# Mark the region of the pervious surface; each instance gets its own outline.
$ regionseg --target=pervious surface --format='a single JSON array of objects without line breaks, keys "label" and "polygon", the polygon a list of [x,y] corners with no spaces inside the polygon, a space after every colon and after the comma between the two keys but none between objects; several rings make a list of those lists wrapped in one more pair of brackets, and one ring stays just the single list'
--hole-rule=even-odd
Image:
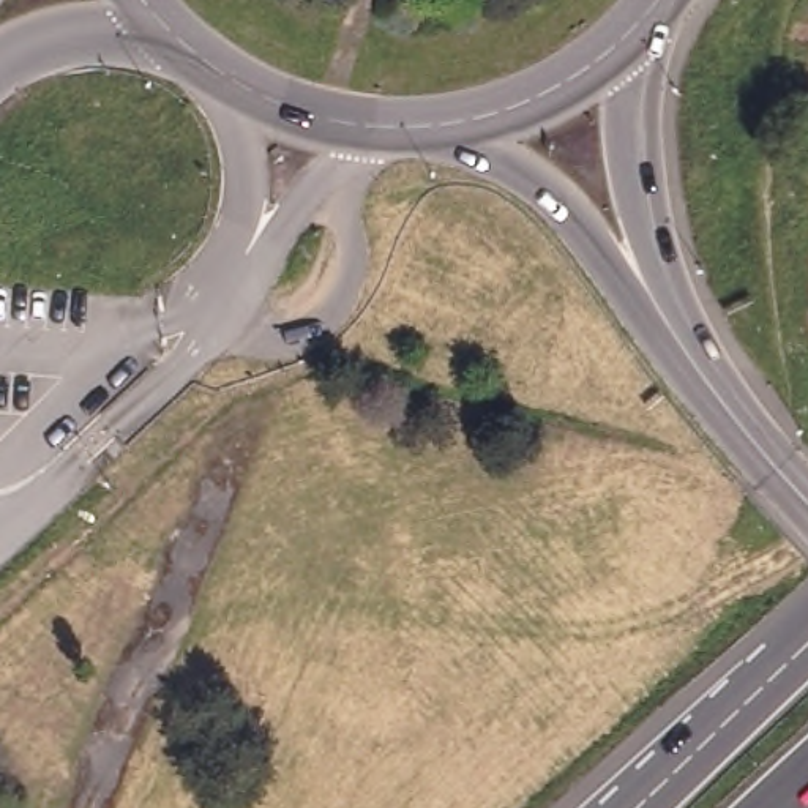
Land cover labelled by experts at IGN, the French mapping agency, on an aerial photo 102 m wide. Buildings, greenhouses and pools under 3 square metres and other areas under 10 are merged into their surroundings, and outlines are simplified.
[{"label": "pervious surface", "polygon": [[271,205],[294,189],[300,170],[309,164],[309,152],[284,142],[268,142],[265,167]]},{"label": "pervious surface", "polygon": [[104,682],[104,698],[95,710],[88,735],[79,732],[66,748],[69,780],[38,776],[25,783],[28,808],[117,808],[129,776],[133,754],[142,748],[148,732],[161,732],[161,723],[155,716],[155,710],[161,707],[158,682],[164,672],[186,660],[180,644],[189,631],[193,606],[205,587],[208,568],[227,533],[243,486],[249,483],[253,464],[259,461],[259,445],[275,413],[275,401],[265,388],[234,395],[224,407],[215,410],[218,420],[211,423],[211,445],[205,448],[205,464],[199,470],[196,486],[189,489],[189,505],[177,518],[174,533],[167,537],[158,556],[152,600],[139,609],[129,641],[117,653],[117,666]]},{"label": "pervious surface", "polygon": [[322,82],[350,88],[360,38],[366,35],[366,22],[372,16],[372,0],[350,0]]},{"label": "pervious surface", "polygon": [[316,259],[297,284],[294,294],[278,300],[278,309],[287,319],[306,319],[331,297],[344,271],[344,262],[338,262],[335,256],[331,237],[322,230]]}]

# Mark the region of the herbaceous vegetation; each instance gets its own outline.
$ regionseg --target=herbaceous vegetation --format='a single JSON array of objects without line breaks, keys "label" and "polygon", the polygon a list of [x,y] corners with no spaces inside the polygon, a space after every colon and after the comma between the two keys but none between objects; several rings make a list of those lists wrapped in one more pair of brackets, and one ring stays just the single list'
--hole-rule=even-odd
[{"label": "herbaceous vegetation", "polygon": [[170,275],[189,262],[193,249],[215,221],[221,164],[211,129],[196,110],[196,104],[174,82],[158,79],[152,73],[110,66],[95,73],[54,76],[28,85],[16,98],[0,104],[0,287],[13,290],[16,284],[22,284],[28,287],[28,294],[85,290],[85,297],[136,297],[145,290],[167,287]]},{"label": "herbaceous vegetation", "polygon": [[379,95],[432,95],[518,73],[559,51],[584,25],[597,22],[615,0],[540,0],[511,19],[486,19],[483,13],[477,13],[477,19],[470,19],[464,28],[455,28],[436,16],[413,16],[407,0],[372,0],[372,16],[366,22],[366,35],[360,38],[350,88]]},{"label": "herbaceous vegetation", "polygon": [[44,549],[79,530],[79,514],[92,511],[104,499],[101,486],[88,486],[60,514],[54,514],[51,524],[38,530],[9,562],[0,565],[0,587],[9,584]]},{"label": "herbaceous vegetation", "polygon": [[73,0],[0,0],[0,25],[38,6]]},{"label": "herbaceous vegetation", "polygon": [[688,808],[720,808],[808,726],[808,691],[764,735],[758,735]]},{"label": "herbaceous vegetation", "polygon": [[726,603],[723,615],[698,638],[694,650],[675,669],[669,669],[669,675],[657,679],[657,685],[628,713],[622,713],[609,726],[609,732],[590,742],[537,792],[530,792],[521,808],[549,808],[571,789],[571,783],[590,773],[609,751],[615,751],[653,710],[660,710],[694,675],[701,675],[716,657],[723,657],[748,628],[754,628],[764,612],[780,606],[802,581],[808,581],[808,565],[805,565],[764,593]]},{"label": "herbaceous vegetation", "polygon": [[208,25],[215,25],[243,51],[262,57],[278,69],[322,82],[350,0],[186,0]]},{"label": "herbaceous vegetation", "polygon": [[780,543],[780,537],[780,530],[751,502],[742,502],[729,527],[742,552],[761,556],[767,552],[767,546]]},{"label": "herbaceous vegetation", "polygon": [[776,101],[789,95],[808,95],[808,0],[716,0],[713,13],[704,19],[688,51],[675,114],[679,174],[694,237],[694,262],[707,271],[707,287],[723,306],[723,316],[735,341],[764,372],[767,385],[802,426],[802,436],[808,442],[808,120],[802,117],[802,133],[792,142],[792,148],[786,155],[776,155],[770,164],[761,158],[751,136],[761,129],[764,114]]},{"label": "herbaceous vegetation", "polygon": [[278,281],[297,284],[316,259],[322,230],[319,224],[309,224],[287,253]]}]

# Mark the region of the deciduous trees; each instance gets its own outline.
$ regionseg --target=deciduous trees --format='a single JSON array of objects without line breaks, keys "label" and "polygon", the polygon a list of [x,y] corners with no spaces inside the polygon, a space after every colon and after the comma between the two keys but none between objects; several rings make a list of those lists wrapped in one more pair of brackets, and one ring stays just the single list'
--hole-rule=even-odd
[{"label": "deciduous trees", "polygon": [[761,158],[770,164],[776,155],[786,155],[792,148],[792,142],[802,133],[802,117],[808,120],[808,95],[789,95],[776,101],[764,114],[761,129],[751,136]]},{"label": "deciduous trees", "polygon": [[306,344],[303,354],[309,379],[316,382],[316,391],[322,395],[325,407],[350,401],[366,426],[385,432],[395,445],[407,448],[410,455],[420,455],[429,442],[445,448],[458,429],[464,429],[467,448],[492,477],[508,477],[511,470],[537,461],[543,451],[543,420],[537,407],[524,407],[508,395],[508,379],[496,354],[483,350],[480,360],[451,385],[432,385],[423,376],[423,363],[429,357],[426,338],[398,347],[398,357],[385,366],[357,347],[344,347],[335,335],[322,331]]},{"label": "deciduous trees", "polygon": [[262,723],[262,710],[243,704],[237,691],[234,698],[189,701],[183,707],[177,739],[164,745],[167,761],[177,767],[183,789],[199,802],[199,808],[253,808],[265,795],[265,786],[275,773],[275,739],[268,723]]},{"label": "deciduous trees", "polygon": [[28,808],[25,783],[0,767],[0,808]]},{"label": "deciduous trees", "polygon": [[486,19],[511,19],[540,0],[407,0],[413,16],[436,16],[455,28],[464,28],[470,19],[477,19],[477,13],[483,13]]}]

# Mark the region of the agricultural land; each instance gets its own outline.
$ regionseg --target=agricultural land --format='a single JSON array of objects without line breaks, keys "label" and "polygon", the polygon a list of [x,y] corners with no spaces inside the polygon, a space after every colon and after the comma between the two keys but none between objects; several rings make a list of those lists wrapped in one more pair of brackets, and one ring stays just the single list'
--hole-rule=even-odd
[{"label": "agricultural land", "polygon": [[189,505],[189,489],[196,486],[199,470],[205,464],[205,448],[211,445],[211,423],[218,420],[215,410],[224,407],[234,395],[265,388],[275,401],[275,413],[259,445],[259,461],[253,464],[249,483],[243,486],[227,533],[208,568],[205,587],[193,606],[189,631],[180,644],[186,660],[164,672],[158,682],[161,707],[155,710],[155,716],[161,723],[161,732],[148,732],[142,748],[133,754],[129,776],[117,808],[199,808],[199,802],[183,789],[177,767],[167,761],[164,745],[177,739],[183,707],[189,701],[234,698],[237,691],[243,704],[262,710],[262,723],[268,723],[275,739],[275,773],[265,786],[265,795],[253,808],[521,808],[530,792],[537,792],[590,742],[609,732],[609,726],[622,713],[628,713],[657,685],[657,679],[669,675],[669,669],[675,669],[694,650],[698,638],[723,615],[726,603],[764,593],[805,565],[802,556],[780,537],[780,543],[767,546],[767,552],[761,556],[742,552],[729,527],[742,502],[742,492],[720,473],[720,467],[685,429],[685,423],[666,407],[663,398],[657,398],[663,385],[660,369],[641,350],[634,335],[622,325],[600,284],[584,268],[584,262],[559,237],[552,218],[546,218],[543,208],[533,208],[508,186],[489,180],[486,174],[473,174],[467,167],[439,161],[391,161],[372,174],[372,183],[363,196],[369,271],[360,287],[350,322],[335,335],[344,347],[357,347],[385,366],[398,357],[398,347],[426,338],[429,357],[423,363],[423,376],[432,385],[451,385],[480,360],[483,350],[496,354],[508,379],[508,395],[524,407],[537,407],[543,420],[543,451],[537,461],[511,470],[508,477],[492,477],[467,448],[464,429],[458,429],[445,448],[429,442],[420,455],[410,455],[407,448],[395,445],[385,432],[366,426],[350,401],[325,407],[322,395],[316,391],[316,382],[309,379],[303,354],[284,360],[221,354],[208,360],[193,376],[196,388],[177,407],[170,407],[139,442],[120,442],[117,455],[101,455],[95,461],[88,486],[101,486],[104,499],[92,511],[79,514],[79,530],[44,549],[9,584],[0,587],[0,767],[25,783],[38,776],[69,780],[66,748],[79,732],[88,735],[95,710],[104,698],[104,682],[117,666],[117,653],[129,641],[139,609],[152,600],[158,556],[167,537],[174,533],[177,518]]}]

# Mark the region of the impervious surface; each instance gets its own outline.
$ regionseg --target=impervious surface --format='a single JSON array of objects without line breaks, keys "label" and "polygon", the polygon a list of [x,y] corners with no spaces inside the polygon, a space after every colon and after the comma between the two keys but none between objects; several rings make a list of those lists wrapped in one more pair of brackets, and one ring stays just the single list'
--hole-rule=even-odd
[{"label": "impervious surface", "polygon": [[[600,284],[622,325],[634,335],[641,350],[660,369],[663,385],[657,398],[663,398],[666,407],[685,423],[685,429],[720,467],[720,473],[742,492],[742,502],[751,502],[780,530],[780,537],[802,556],[805,565],[808,565],[808,442],[802,436],[802,426],[767,385],[764,372],[735,341],[723,316],[723,306],[707,287],[707,271],[694,262],[694,237],[679,174],[675,114],[688,51],[704,19],[713,13],[716,0],[615,0],[597,22],[584,25],[559,51],[518,73],[432,95],[379,95],[350,88],[322,82],[278,69],[262,57],[243,51],[215,25],[208,25],[186,0],[73,0],[38,6],[0,25],[0,104],[16,98],[28,85],[54,76],[95,73],[110,66],[152,73],[158,79],[174,82],[196,104],[196,110],[211,129],[221,164],[215,221],[193,249],[189,262],[170,275],[167,287],[145,290],[136,297],[85,297],[85,290],[28,294],[28,287],[22,284],[16,284],[13,290],[0,287],[0,565],[9,562],[38,530],[51,524],[54,514],[60,514],[88,486],[95,461],[101,455],[117,455],[120,442],[139,442],[170,407],[177,407],[196,388],[193,376],[208,360],[221,354],[284,360],[303,354],[306,344],[322,331],[335,335],[350,322],[360,287],[369,271],[363,196],[372,183],[372,174],[391,161],[439,161],[467,167],[473,174],[486,174],[489,180],[508,186],[533,208],[543,208],[546,218],[552,218],[559,237],[584,262],[584,268]],[[309,152],[309,164],[300,170],[294,189],[271,205],[265,167],[268,142],[284,142]],[[278,281],[287,253],[309,224],[319,224],[322,230],[331,237],[335,256],[338,262],[344,262],[344,271],[331,297],[306,319],[287,319],[278,309],[278,300],[294,294],[297,284]]]},{"label": "impervious surface", "polygon": [[720,808],[808,808],[808,726]]},{"label": "impervious surface", "polygon": [[571,783],[571,789],[549,808],[688,808],[758,735],[764,735],[808,691],[808,581],[802,581],[780,606],[764,612],[754,628],[748,628],[723,657],[716,657],[701,675],[694,675],[660,710],[653,710],[615,751],[609,751],[590,773]]}]

